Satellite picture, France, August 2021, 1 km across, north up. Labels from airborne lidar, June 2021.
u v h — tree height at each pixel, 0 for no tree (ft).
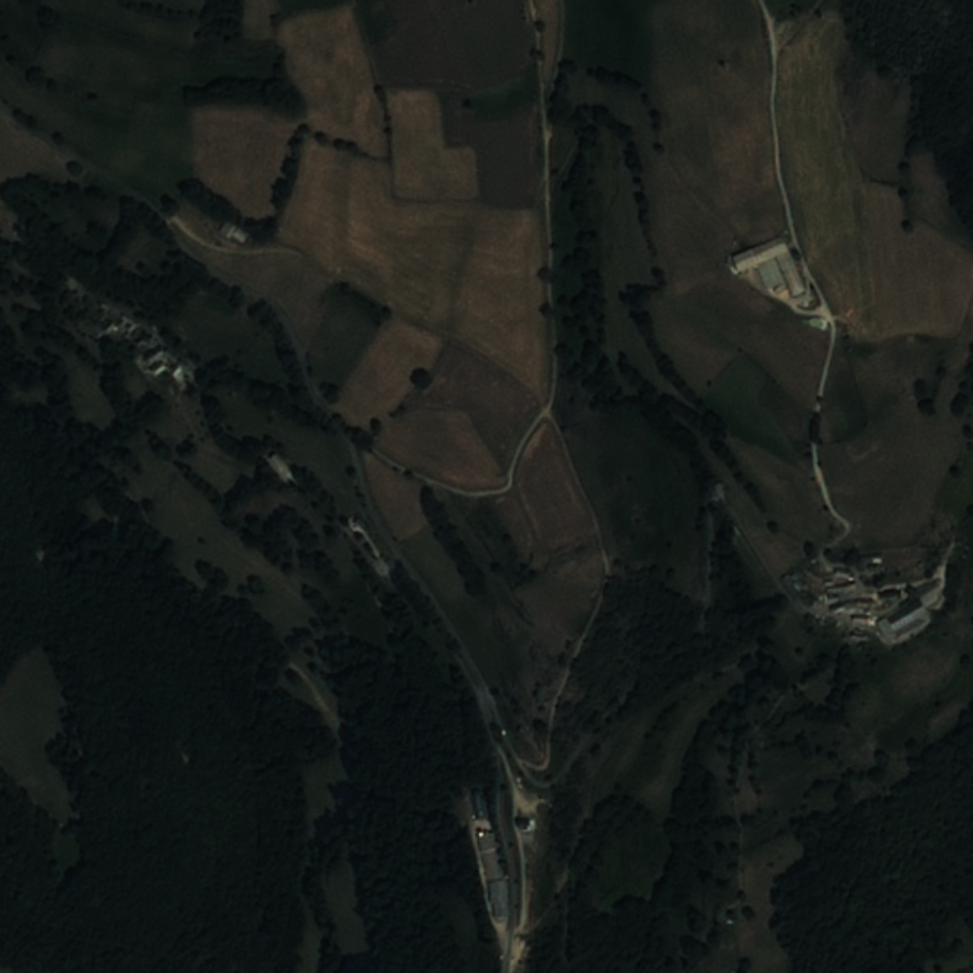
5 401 89
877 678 0
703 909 0
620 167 0
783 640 0
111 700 72
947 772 69
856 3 27
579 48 0
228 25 21
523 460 0
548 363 0
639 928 68
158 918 68
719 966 0
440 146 0
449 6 0
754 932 0
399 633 41
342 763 0
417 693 74
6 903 76
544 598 0
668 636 71
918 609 0
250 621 80
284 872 107
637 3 0
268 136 0
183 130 0
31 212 61
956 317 0
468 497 0
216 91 54
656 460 0
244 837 73
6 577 68
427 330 0
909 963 78
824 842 33
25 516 73
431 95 0
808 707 34
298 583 0
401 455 0
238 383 71
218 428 32
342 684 77
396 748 74
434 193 0
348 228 0
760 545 0
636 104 0
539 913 0
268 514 0
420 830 58
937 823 67
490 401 0
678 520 0
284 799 83
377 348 0
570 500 0
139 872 74
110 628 80
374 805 87
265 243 60
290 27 0
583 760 20
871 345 0
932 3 19
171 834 70
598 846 48
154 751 57
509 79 0
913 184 0
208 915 74
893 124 0
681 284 0
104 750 69
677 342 0
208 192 52
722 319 0
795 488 0
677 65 0
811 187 0
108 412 0
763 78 0
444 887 60
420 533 0
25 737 0
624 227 0
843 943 78
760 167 0
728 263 0
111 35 0
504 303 0
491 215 0
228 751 69
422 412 0
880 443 0
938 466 0
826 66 0
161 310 67
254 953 77
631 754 0
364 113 0
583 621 0
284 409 67
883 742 0
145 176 0
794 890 59
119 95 0
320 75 0
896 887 78
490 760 58
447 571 0
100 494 90
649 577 28
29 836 58
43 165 0
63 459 106
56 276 51
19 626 75
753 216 0
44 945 81
